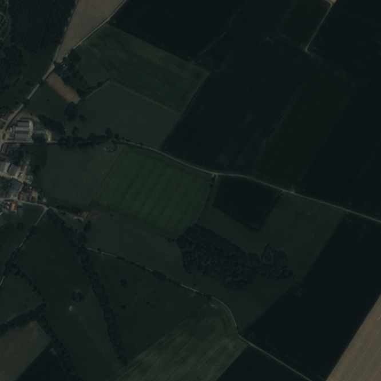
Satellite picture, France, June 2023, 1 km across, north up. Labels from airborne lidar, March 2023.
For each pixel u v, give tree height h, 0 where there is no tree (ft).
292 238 0
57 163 0
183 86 0
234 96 0
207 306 0
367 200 0
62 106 0
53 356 0
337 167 0
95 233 0
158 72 0
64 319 0
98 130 0
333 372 0
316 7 0
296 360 0
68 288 0
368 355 0
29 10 103
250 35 0
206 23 0
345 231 0
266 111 0
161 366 0
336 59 0
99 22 0
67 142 71
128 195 0
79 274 0
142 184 0
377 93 0
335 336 0
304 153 0
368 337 0
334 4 0
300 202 0
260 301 0
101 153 0
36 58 0
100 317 0
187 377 0
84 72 0
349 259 0
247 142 0
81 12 0
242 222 0
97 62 0
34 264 0
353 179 0
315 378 0
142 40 0
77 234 59
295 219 0
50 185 0
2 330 57
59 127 88
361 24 0
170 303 0
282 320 0
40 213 0
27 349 0
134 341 0
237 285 75
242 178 0
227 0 0
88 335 0
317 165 0
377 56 0
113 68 0
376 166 0
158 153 0
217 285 0
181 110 0
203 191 0
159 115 0
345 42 0
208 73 0
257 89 0
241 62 0
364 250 0
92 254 0
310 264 0
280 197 0
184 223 0
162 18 0
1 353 0
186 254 83
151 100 0
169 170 0
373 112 0
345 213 0
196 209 0
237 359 0
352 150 0
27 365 0
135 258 0
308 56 0
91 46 0
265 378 0
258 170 0
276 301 0
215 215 0
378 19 0
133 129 0
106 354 0
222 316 0
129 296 0
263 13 0
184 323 0
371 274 0
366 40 0
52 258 0
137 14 0
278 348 0
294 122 0
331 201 0
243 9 0
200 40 0
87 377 0
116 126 0
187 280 0
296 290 0
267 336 0
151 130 0
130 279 0
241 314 0
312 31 0
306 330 0
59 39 80
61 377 0
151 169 0
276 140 0
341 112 0
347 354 0
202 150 0
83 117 34
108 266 0
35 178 0
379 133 0
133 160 0
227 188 0
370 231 0
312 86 0
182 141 0
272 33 0
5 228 0
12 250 0
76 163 0
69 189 0
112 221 0
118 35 0
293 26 0
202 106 0
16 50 105
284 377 0
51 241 0
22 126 0
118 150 0
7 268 64
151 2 0
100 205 0
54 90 0
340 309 0
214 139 0
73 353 0
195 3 0
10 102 0
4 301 0
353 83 0
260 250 0
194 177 0
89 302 0
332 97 0
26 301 0
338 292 0
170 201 0
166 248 0
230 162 0
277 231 0
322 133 0
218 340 0
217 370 0
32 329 0
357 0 0
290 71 0
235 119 0
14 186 0
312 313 0
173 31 0
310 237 0
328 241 0
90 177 0
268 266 70
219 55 0
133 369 0
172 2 0
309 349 0
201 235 73
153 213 0
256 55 0
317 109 0
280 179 0
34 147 0
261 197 0
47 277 0
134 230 0
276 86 0
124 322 0
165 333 0
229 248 100
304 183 0
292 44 0
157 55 0
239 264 99
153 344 0
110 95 0
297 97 0
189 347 0
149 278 0
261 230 0
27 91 0
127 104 0
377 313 0
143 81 0
